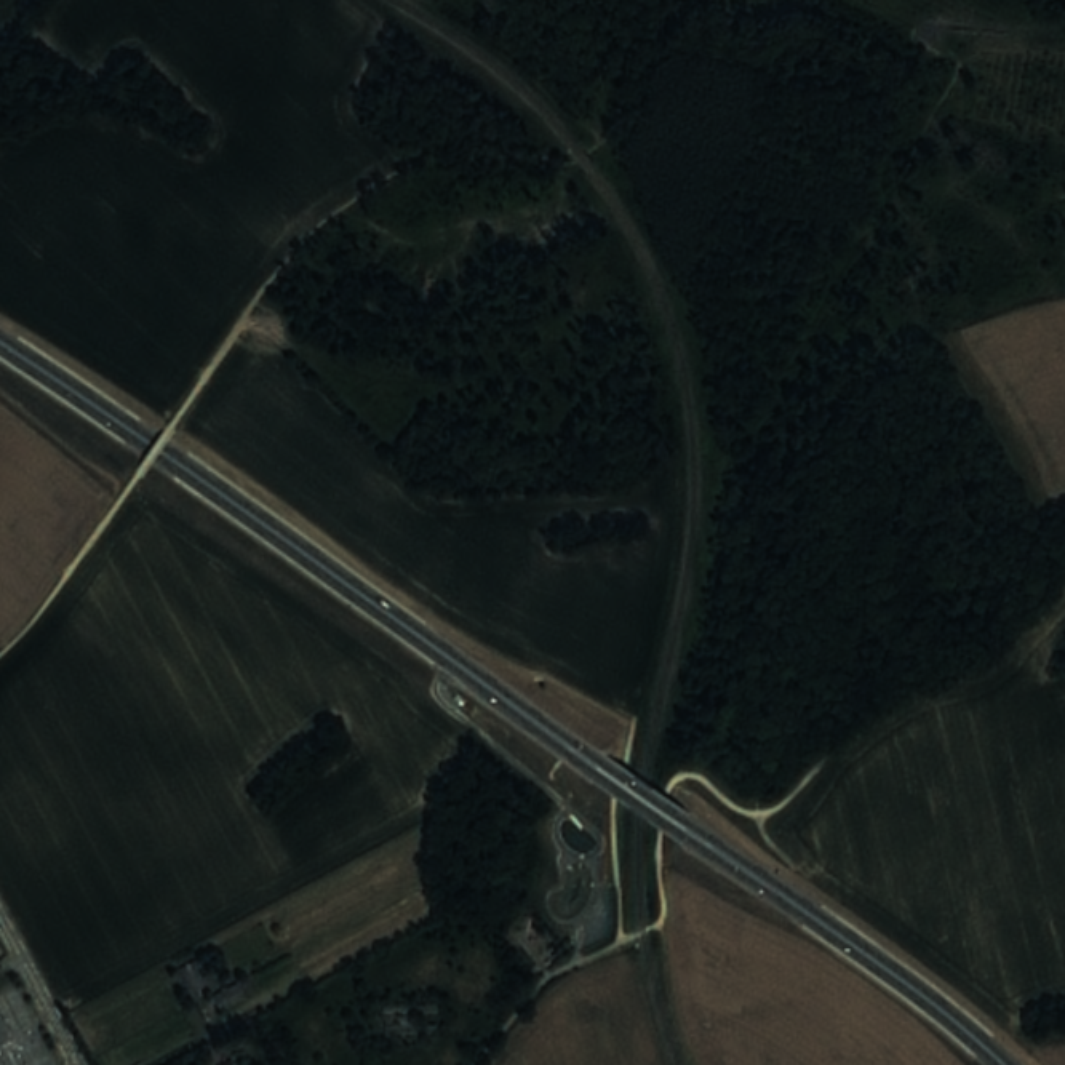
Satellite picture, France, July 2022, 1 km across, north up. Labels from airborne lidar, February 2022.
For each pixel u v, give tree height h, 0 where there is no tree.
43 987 0
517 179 18
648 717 0
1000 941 0
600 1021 0
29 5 22
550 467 18
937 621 20
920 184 0
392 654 0
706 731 29
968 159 23
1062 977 0
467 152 18
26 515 0
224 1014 9
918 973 0
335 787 0
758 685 28
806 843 0
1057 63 0
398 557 0
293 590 0
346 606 0
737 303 21
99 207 0
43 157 0
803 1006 0
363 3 0
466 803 26
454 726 0
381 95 21
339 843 0
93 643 0
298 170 0
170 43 0
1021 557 29
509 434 13
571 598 0
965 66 0
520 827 26
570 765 0
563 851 0
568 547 18
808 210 19
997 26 0
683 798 0
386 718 0
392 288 23
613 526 19
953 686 9
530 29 22
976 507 11
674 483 0
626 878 0
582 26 23
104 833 0
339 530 0
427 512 0
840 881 0
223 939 0
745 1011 0
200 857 0
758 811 0
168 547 0
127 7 0
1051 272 0
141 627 0
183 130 22
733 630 29
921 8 0
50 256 0
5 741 0
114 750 0
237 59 0
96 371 0
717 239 16
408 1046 7
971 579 21
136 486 0
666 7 22
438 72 17
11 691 0
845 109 27
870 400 23
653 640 0
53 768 0
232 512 0
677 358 0
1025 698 0
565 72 23
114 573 0
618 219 0
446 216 0
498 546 0
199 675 0
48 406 0
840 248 27
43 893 0
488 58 0
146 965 0
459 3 0
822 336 0
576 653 0
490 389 17
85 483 0
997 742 0
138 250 0
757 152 17
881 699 26
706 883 0
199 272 0
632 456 25
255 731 0
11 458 0
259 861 0
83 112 18
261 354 0
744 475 23
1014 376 0
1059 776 0
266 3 0
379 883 0
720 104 25
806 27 29
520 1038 0
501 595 0
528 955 0
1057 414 0
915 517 31
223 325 0
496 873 24
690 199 23
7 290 0
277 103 0
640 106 26
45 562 0
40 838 0
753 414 31
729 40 26
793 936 0
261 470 0
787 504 26
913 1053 0
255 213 0
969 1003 0
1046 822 0
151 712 0
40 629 0
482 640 0
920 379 26
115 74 19
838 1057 0
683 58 24
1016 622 26
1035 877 0
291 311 14
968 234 0
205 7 0
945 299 0
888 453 30
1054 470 0
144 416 0
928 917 0
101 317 0
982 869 0
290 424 0
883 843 0
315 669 0
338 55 0
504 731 0
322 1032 0
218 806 0
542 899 0
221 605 0
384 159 0
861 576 28
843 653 32
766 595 33
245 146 0
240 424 0
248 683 0
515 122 22
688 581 0
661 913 0
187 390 0
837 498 30
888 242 22
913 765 0
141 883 0
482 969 0
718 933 0
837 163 22
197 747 0
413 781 0
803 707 28
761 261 18
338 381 0
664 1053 0
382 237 0
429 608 0
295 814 0
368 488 0
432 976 0
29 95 25
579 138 0
